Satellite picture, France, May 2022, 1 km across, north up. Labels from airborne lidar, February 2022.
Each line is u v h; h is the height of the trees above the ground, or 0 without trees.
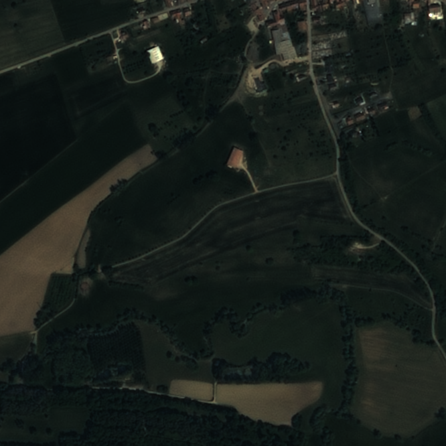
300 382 0
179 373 0
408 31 0
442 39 0
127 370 15
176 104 0
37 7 0
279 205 0
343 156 6
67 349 35
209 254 0
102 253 0
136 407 23
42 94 0
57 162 0
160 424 27
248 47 0
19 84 0
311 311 0
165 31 0
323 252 8
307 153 0
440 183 0
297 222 0
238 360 0
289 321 0
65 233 0
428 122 6
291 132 9
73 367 25
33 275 0
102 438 23
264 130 0
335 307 0
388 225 0
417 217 0
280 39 0
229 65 0
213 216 0
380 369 0
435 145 0
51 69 0
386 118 0
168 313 0
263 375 24
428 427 0
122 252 0
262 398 0
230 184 0
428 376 0
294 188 0
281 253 0
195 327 0
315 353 0
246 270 0
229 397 0
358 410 0
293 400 0
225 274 0
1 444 11
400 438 14
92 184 0
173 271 0
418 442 0
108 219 0
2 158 0
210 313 0
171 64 0
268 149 0
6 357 0
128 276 0
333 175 0
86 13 0
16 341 0
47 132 0
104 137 0
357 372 13
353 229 0
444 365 0
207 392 0
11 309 0
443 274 0
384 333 0
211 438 25
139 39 0
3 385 10
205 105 0
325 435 16
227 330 0
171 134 0
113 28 0
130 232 0
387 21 9
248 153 0
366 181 0
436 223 0
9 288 0
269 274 0
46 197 0
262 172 0
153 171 0
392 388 0
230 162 0
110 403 25
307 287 0
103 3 0
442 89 0
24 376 38
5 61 0
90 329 16
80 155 0
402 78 0
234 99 0
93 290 0
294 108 0
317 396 0
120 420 22
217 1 0
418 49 0
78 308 0
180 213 0
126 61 0
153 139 0
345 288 0
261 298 0
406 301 0
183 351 13
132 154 0
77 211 0
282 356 20
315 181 0
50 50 0
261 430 24
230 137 0
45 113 0
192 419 16
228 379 20
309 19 0
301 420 16
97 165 0
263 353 0
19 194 0
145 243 0
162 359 0
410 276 6
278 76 0
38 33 0
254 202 0
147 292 0
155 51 0
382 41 0
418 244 0
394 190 0
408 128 0
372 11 0
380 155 0
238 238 0
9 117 0
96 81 0
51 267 0
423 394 0
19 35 0
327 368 0
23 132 0
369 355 0
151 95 0
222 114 0
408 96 0
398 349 0
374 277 0
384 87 0
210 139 0
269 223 0
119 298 0
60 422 0
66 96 0
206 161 0
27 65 0
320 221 0
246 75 0
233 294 0
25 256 0
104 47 0
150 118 0
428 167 0
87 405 17
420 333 13
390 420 0
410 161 0
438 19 0
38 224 0
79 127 0
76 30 0
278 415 0
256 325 0
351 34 0
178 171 0
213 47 0
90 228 0
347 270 0
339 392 0
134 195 0
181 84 0
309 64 0
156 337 0
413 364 0
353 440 0
